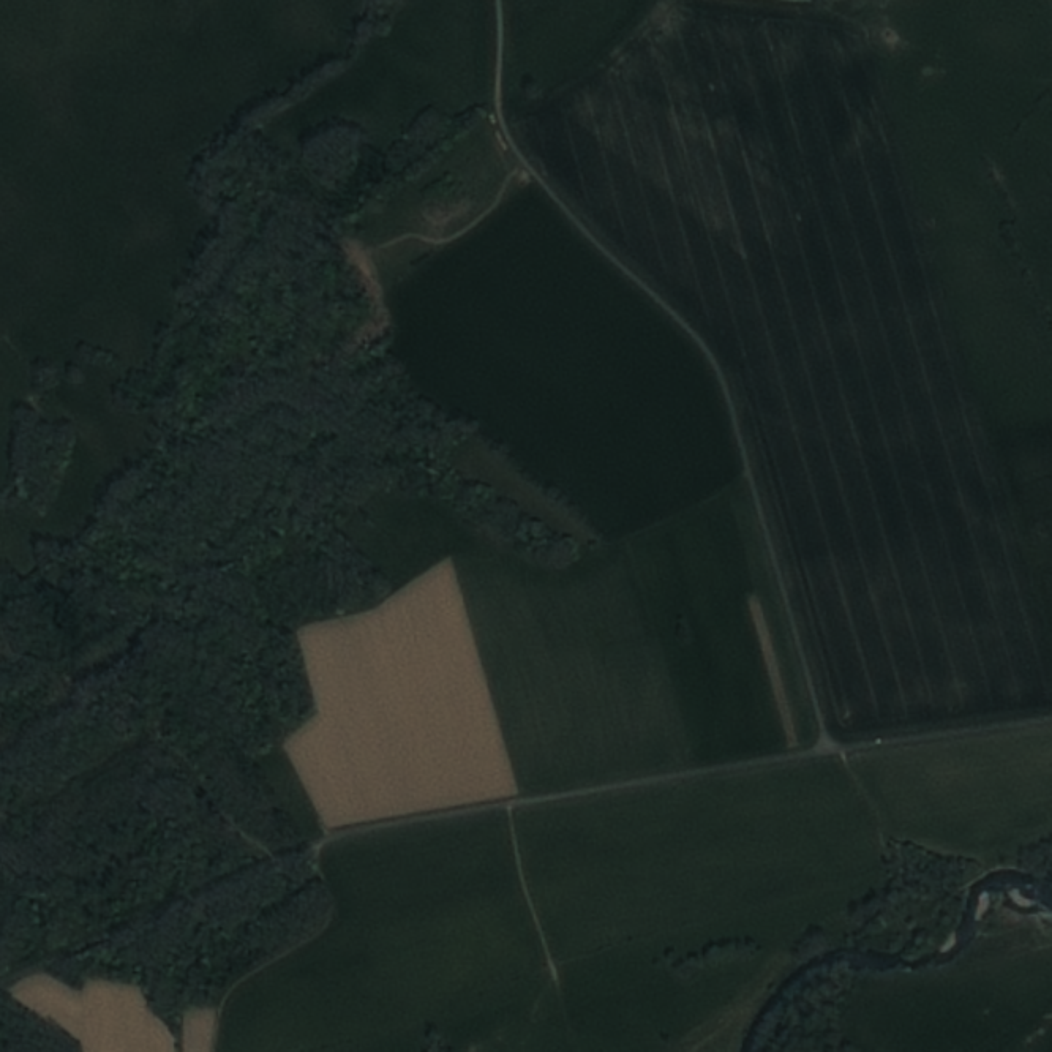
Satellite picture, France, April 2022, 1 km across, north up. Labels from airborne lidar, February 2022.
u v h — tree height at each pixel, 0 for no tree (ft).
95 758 64
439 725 0
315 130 0
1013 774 0
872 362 0
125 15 0
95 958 71
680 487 0
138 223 0
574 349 0
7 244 0
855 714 0
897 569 0
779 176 0
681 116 0
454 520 0
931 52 0
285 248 88
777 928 0
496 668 0
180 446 49
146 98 0
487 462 0
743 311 0
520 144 0
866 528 0
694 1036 0
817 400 0
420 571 0
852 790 0
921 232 0
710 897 0
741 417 0
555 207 0
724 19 0
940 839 0
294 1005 0
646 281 0
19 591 32
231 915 82
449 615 0
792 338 0
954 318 0
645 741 0
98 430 0
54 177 0
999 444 0
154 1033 0
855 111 0
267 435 92
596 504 0
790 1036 61
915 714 0
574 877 0
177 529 83
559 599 0
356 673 0
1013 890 0
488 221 0
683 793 0
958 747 0
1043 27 0
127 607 79
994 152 0
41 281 0
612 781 0
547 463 0
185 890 21
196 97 0
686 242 0
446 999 0
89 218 0
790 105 0
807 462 0
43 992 0
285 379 75
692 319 0
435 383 0
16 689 76
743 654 0
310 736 0
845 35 0
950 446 0
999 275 0
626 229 0
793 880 0
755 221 0
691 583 0
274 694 92
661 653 0
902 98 0
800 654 0
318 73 49
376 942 0
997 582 0
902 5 0
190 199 0
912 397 0
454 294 0
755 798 0
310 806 0
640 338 0
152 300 0
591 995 0
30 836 84
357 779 0
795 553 0
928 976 0
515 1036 0
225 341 56
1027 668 0
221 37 0
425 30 0
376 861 0
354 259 35
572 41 0
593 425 0
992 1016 0
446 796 0
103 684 73
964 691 0
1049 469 0
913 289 0
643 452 0
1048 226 0
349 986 0
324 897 59
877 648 0
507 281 0
